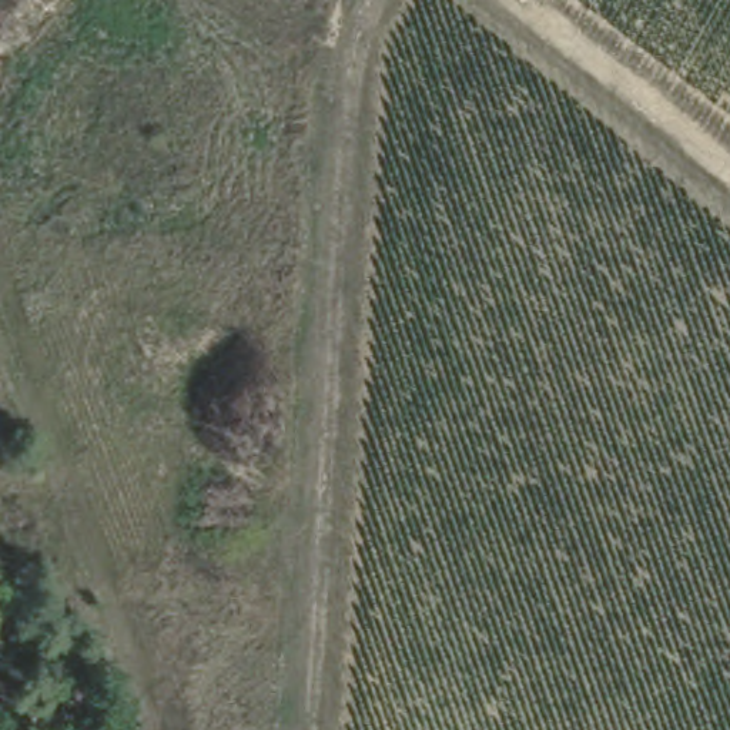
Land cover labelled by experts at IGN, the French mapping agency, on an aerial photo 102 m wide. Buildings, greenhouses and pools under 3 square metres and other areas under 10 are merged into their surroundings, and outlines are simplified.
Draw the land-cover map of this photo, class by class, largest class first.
<instances>
[{"label":"herbaceous vegetation","instance_id":"1","mask_svg":"<svg viewBox=\"0 0 730 730\"><path fill-rule=\"evenodd\" d=\"M413 0H66L57 11L46 14L43 20L26 29L31 43H23L20 48L0 54V539L40 553L46 570L40 587L46 593L63 596L66 607H71L91 630V647L86 659H108L125 676L134 679V687L145 701L143 721L137 730H345L351 724L348 704L354 701V630L359 627L354 605L356 565L362 562V425L368 416V379L374 356L371 279L379 237L376 174L382 171L379 143L385 134L382 120L388 97L385 57L391 34L408 17ZM31 442L51 451L40 462V471L34 476L17 473L9 462L17 459ZM453 6L473 14L490 34L502 37L516 57L530 63L545 80H553L582 108H587L596 120L613 128L616 137L630 151H636L650 168H659L667 180L679 183L693 202L707 208L721 225L730 228V185L710 174L701 163H696L679 145L676 137L653 125L616 88L599 83L573 57L562 54L550 40L539 37L528 23L513 17L496 0H453ZM539 6L556 9L562 17H567L590 43L602 46L616 63L627 66L633 74L659 88L662 97H667L679 111L696 120L713 140H719L730 151V91L710 100L704 91L684 80L693 68V60L684 57L676 71L662 66L624 31H619L602 11L585 9L582 0H536Z\"/></svg>","mask_w":730,"mask_h":730},{"label":"vineyard","instance_id":"2","mask_svg":"<svg viewBox=\"0 0 730 730\"><path fill-rule=\"evenodd\" d=\"M388 97L382 120L385 134L379 143L382 171L376 174L379 237L371 279L374 356L368 379V416L362 425V562L356 565L354 605L359 627L354 630V701L348 704L351 724L345 730H730V228L721 225L707 208L693 202L679 183L667 180L659 168H650L636 151H630L616 137L613 128L596 120L587 108H582L553 80H545L530 63L516 57L502 37L490 34L473 14L453 6V0H413L408 17L391 34L385 57ZM585 9L602 11L619 31H624L662 66L676 71L684 57L693 60V68L684 80L704 91L710 100L730 91V0H582Z\"/></svg>","mask_w":730,"mask_h":730},{"label":"deciduous trees","instance_id":"3","mask_svg":"<svg viewBox=\"0 0 730 730\"><path fill-rule=\"evenodd\" d=\"M51 451L31 442L17 459L9 462L17 473L34 476L40 471V462ZM46 570L40 553L0 539V730H137L143 721L145 701L134 687V679L125 676L108 659H86L91 647V630L71 607H66L63 596L46 593L40 587Z\"/></svg>","mask_w":730,"mask_h":730},{"label":"pervious surface","instance_id":"4","mask_svg":"<svg viewBox=\"0 0 730 730\"><path fill-rule=\"evenodd\" d=\"M66 0H0V54L20 48L23 43H31L26 29L43 20L46 14L57 11ZM513 17L528 23L539 37L550 40L562 54L573 57L599 83L616 88L653 125L676 137L679 145L696 163H701L710 174L730 185V151L719 140H713L696 120L679 111L667 97H662L659 88L633 74L627 66L616 63L602 46L590 43L567 17H562L556 9L539 6L536 0H496Z\"/></svg>","mask_w":730,"mask_h":730}]
</instances>
